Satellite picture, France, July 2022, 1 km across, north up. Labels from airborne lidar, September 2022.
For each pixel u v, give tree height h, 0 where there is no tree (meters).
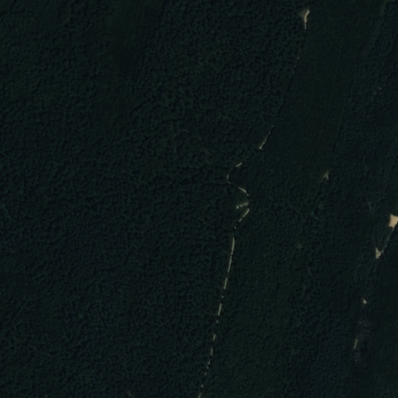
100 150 31
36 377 29
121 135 23
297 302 23
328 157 17
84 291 29
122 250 36
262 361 24
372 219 21
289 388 28
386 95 22
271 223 22
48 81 20
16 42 13
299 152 13
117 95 26
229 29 27
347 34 15
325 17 15
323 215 33
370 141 25
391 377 16
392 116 22
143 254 25
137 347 25
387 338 13
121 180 32
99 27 22
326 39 15
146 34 8
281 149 13
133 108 25
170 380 33
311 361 21
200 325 35
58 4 19
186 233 24
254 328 22
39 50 20
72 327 33
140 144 30
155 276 25
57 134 29
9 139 30
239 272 11
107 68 35
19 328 24
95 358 28
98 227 34
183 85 35
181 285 40
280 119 15
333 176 22
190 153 24
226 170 26
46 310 24
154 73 29
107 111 27
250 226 13
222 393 16
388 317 16
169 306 34
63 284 27
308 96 12
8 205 32
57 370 25
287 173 14
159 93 7
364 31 18
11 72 22
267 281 18
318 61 10
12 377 29
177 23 30
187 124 18
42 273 23
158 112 25
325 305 20
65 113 24
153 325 15
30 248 29
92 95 10
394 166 15
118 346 29
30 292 15
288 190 27
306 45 15
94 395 25
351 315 26
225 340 26
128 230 31
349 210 23
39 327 21
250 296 17
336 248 23
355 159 22
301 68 17
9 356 14
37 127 26
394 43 15
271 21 17
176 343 38
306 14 0
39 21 20
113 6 22
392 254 17
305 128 20
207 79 14
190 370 14
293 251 22
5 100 16
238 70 29
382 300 22
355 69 20
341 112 15
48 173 36
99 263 34
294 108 11
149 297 28
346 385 23
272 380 25
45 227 31
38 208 23
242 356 22
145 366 33
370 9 17
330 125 19
